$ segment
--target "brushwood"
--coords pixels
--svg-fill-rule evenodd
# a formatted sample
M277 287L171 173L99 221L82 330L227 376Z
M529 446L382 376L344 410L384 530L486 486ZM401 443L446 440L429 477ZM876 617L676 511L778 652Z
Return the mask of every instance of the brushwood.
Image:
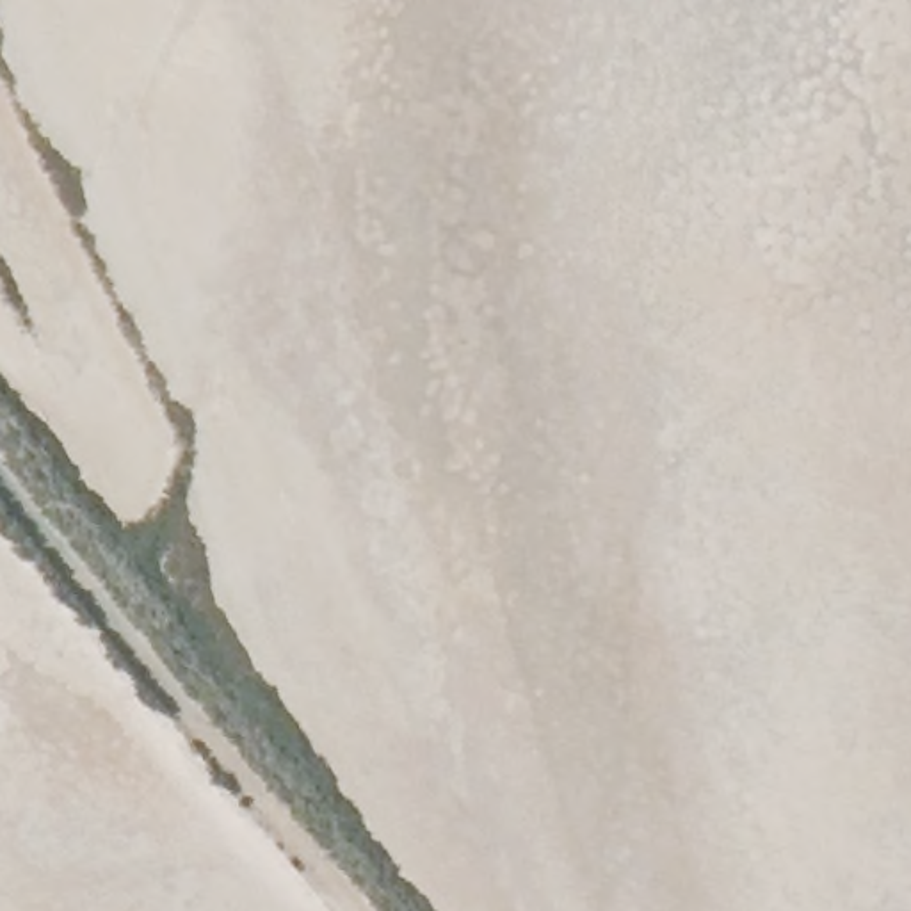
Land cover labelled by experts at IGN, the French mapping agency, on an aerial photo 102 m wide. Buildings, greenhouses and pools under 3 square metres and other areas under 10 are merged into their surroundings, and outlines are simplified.
M370 897L377 911L434 911L431 900L409 879L402 879L391 854L370 836L359 808L338 790L331 765L313 751L310 737L292 719L278 690L253 669L253 658L242 648L235 626L217 609L206 544L189 520L189 484L196 466L192 409L171 395L167 377L149 356L132 310L121 302L114 274L96 246L96 235L85 224L82 171L43 135L32 110L21 103L18 78L4 57L0 32L0 82L7 85L14 117L21 121L32 149L39 153L43 167L57 185L60 203L68 206L71 231L82 242L96 270L96 281L117 313L121 335L135 349L135 359L146 370L146 381L178 434L178 463L164 502L146 520L121 523L114 509L82 480L60 438L21 402L21 395L0 374L0 406L7 406L7 413L28 431L32 445L46 448L57 480L68 484L71 498L100 523L100 537L171 612L171 623L149 637L171 665L171 673L206 708L214 726L242 751L242 758L263 776L278 801L288 804L302 829L327 851L327 858L338 868L349 872L349 879Z
M21 327L32 327L32 310L18 288L11 263L0 253L0 288Z

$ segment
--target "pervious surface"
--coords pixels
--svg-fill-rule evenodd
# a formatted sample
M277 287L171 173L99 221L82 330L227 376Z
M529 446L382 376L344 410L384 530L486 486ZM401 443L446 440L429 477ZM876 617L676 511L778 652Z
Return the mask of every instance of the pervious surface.
M132 310L149 356L167 377L171 395L192 409L196 466L189 484L189 520L206 544L217 609L235 626L242 648L253 658L253 669L278 690L292 719L310 737L313 751L331 765L338 790L359 808L370 836L391 854L402 879L409 879L431 900L434 911L911 911L911 0L0 0L0 32L4 57L18 78L21 103L32 110L43 135L82 171L85 224L96 235L96 246L114 274L121 302Z
M114 601L107 584L93 573L93 566L75 552L71 537L50 516L43 516L43 505L36 502L32 488L18 477L18 470L7 463L7 452L0 448L0 480L36 520L43 537L60 552L75 580L96 598L110 626L132 644L132 651L146 662L157 683L178 701L178 715L171 719L149 708L139 697L135 680L110 662L100 633L85 626L78 612L53 594L39 566L21 559L14 541L0 534L0 911L377 911L370 897L349 879L349 872L338 868L327 858L327 851L302 829L288 804L278 801L263 776L242 758L242 751L214 726L206 708L171 673L171 665L149 637ZM214 747L221 765L238 776L242 790L249 790L253 808L238 808L238 801L210 779L203 758L189 747L192 740L206 740Z
M21 395L21 402L60 438L82 480L114 509L121 523L146 520L164 502L178 463L178 434L146 381L146 370L135 359L135 349L121 335L117 313L96 281L96 270L82 242L71 231L68 206L60 203L57 185L43 167L39 153L32 149L21 121L14 117L7 85L0 82L0 253L11 263L18 288L32 310L32 327L21 327L0 288L0 374Z

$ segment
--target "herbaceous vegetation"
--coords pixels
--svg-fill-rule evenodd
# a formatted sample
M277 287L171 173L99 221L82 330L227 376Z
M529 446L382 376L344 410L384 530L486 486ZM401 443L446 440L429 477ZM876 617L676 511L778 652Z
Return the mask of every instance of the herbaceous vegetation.
M214 747L206 740L192 740L189 747L203 758L210 779L238 801L238 808L253 808L249 790L242 790L238 776L221 765Z
M135 680L139 697L149 708L171 719L178 715L178 701L157 683L146 662L132 651L132 644L110 626L96 598L75 580L60 552L43 537L36 520L0 480L0 534L14 541L21 559L39 566L53 594L78 612L85 626L100 633L110 662Z
M46 448L32 445L28 431L7 413L7 406L0 406L0 448L7 452L7 463L18 470L18 477L32 488L36 502L43 505L43 516L50 516L71 537L75 552L93 566L93 573L107 584L114 601L149 637L171 623L171 612L100 537L100 523L71 498L68 484L57 480Z

